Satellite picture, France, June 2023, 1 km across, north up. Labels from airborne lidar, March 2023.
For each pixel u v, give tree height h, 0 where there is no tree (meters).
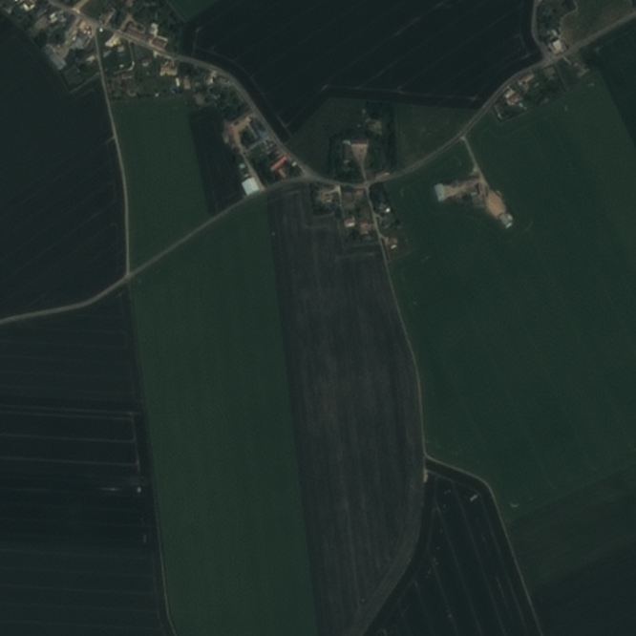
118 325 0
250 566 0
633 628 0
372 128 0
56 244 0
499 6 0
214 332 0
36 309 0
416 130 0
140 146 0
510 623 0
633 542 0
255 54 0
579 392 0
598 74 0
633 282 0
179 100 0
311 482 0
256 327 0
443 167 0
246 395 0
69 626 0
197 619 0
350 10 0
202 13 0
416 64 0
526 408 0
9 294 0
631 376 0
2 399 0
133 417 0
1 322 0
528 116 0
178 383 0
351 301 0
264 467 0
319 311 0
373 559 0
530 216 0
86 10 0
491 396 0
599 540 0
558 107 0
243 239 0
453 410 0
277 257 0
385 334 0
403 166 0
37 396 0
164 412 0
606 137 0
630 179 0
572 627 0
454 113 0
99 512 0
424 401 0
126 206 0
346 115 0
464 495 0
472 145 0
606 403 0
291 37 0
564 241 0
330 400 0
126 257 0
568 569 0
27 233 0
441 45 0
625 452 0
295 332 0
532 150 0
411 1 0
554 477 0
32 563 0
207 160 0
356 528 0
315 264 0
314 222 0
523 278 0
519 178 0
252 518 0
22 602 0
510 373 0
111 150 0
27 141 0
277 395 0
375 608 0
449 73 0
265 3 0
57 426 0
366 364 0
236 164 14
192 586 0
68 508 0
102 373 0
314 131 0
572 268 0
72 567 0
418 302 0
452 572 0
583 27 0
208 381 0
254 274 0
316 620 0
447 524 0
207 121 0
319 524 0
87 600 0
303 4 0
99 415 0
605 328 0
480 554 0
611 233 0
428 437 0
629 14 0
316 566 0
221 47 0
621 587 0
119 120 0
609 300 0
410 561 0
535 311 0
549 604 0
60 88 0
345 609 0
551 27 9
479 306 0
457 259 0
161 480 0
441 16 0
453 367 0
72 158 0
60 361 0
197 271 0
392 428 0
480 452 0
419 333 0
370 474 0
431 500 0
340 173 6
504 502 0
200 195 0
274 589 0
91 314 0
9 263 0
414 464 0
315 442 0
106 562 0
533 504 0
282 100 0
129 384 0
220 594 0
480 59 0
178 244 0
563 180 0
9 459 0
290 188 0
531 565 0
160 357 0
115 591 0
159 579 0
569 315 0
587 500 0
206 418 0
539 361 0
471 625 0
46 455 0
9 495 0
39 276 0
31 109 0
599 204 0
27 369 0
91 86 0
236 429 0
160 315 0
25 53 0
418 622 0
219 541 0
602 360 0
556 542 0
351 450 0
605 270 0
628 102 0
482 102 0
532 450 0
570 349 0
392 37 0
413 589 0
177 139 0
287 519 0
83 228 0
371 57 0
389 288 0
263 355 0
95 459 0
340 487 0
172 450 0
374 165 7
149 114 0
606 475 0
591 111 0
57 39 12
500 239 0
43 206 0
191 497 0
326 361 0
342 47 0
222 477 0
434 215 0
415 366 0
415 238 0
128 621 0
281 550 0
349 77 0
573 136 0
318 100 0
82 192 0
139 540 0
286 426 0
